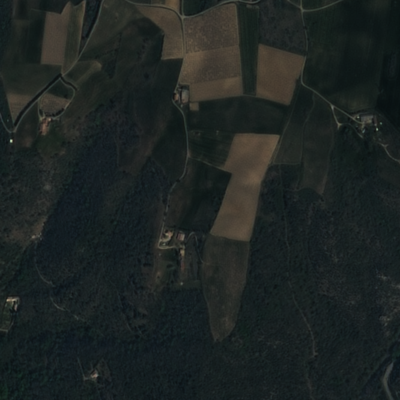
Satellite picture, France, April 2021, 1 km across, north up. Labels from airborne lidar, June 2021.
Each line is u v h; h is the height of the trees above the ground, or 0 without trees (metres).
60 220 10
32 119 0
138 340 23
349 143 30
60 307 8
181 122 0
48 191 6
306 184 0
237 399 7
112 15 0
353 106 0
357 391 15
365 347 8
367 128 11
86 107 0
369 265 10
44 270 7
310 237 6
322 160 0
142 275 8
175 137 0
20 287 14
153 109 0
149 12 0
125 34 0
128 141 12
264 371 14
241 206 0
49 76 0
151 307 12
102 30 0
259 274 11
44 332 8
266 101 0
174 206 0
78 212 11
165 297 19
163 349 8
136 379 14
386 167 0
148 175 13
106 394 11
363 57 0
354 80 0
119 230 10
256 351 6
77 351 8
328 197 0
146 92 0
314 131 0
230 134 0
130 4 0
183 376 8
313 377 13
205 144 0
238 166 0
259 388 7
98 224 6
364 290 13
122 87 0
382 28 0
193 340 13
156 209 0
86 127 11
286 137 0
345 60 0
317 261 7
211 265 0
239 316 9
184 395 12
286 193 10
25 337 16
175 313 17
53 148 0
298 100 0
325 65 0
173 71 0
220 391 11
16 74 0
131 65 0
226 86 0
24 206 7
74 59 0
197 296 13
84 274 8
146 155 0
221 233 0
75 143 9
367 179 20
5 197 7
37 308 8
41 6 0
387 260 9
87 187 15
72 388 6
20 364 17
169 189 12
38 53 0
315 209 7
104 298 12
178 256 10
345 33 0
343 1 0
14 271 10
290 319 10
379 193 7
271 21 6
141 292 6
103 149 8
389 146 0
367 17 0
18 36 0
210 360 6
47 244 9
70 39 0
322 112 0
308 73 0
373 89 0
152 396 7
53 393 11
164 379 10
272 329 8
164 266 0
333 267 6
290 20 0
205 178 0
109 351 14
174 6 0
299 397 17
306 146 0
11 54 0
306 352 13
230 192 0
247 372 12
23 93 0
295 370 10
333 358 7
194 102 0
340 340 8
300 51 0
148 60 0
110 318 9
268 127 0
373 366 19
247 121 0
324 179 0
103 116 17
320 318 13
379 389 11
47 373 16
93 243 11
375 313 6
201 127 0
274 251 12
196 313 12
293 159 0
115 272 8
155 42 0
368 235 13
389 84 0
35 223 9
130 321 10
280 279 8
